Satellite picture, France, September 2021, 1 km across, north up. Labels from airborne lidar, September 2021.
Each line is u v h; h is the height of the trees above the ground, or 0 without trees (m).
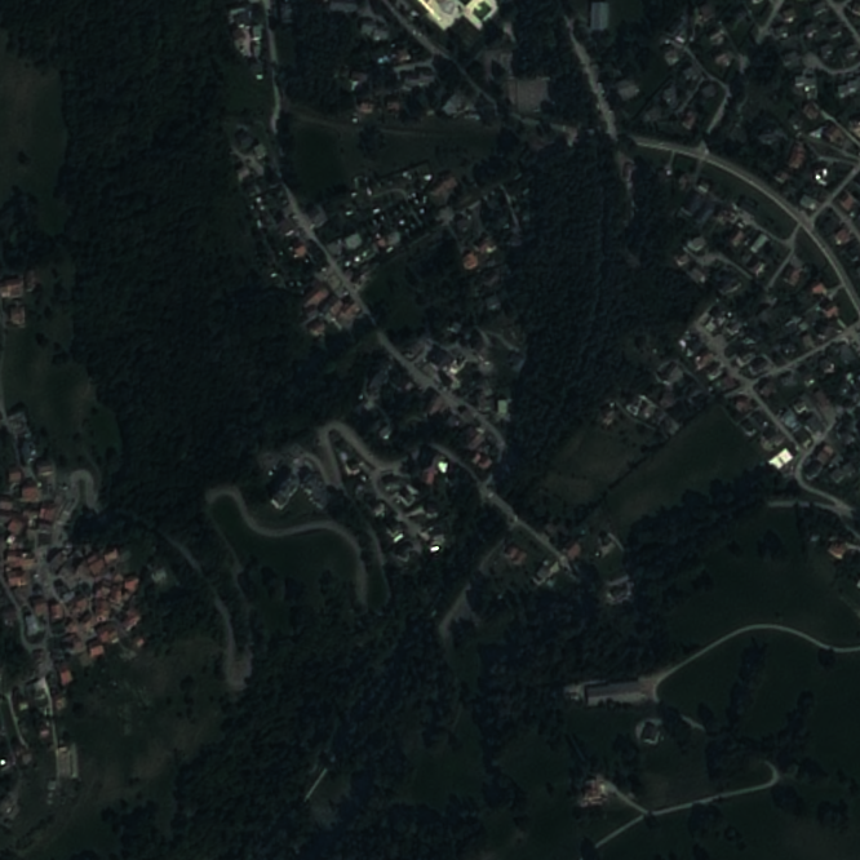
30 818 0
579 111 18
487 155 0
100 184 29
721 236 7
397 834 25
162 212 23
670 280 18
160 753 0
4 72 0
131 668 0
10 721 0
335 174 0
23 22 25
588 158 14
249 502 7
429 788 0
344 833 10
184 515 33
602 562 0
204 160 23
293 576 0
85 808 0
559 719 17
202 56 18
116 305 24
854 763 0
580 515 10
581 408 16
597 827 0
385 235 8
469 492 16
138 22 14
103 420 0
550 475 15
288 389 26
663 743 0
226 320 24
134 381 27
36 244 25
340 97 15
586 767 26
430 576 26
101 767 0
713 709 0
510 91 0
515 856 0
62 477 0
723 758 17
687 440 0
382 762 21
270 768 6
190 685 16
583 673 7
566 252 19
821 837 0
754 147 13
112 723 0
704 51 10
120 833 13
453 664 0
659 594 20
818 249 0
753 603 0
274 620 0
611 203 15
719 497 20
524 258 17
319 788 0
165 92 26
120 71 19
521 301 18
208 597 23
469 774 0
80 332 16
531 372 11
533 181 11
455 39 12
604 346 16
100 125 20
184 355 26
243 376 21
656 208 15
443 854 23
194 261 22
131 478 19
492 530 19
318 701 28
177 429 27
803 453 0
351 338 16
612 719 0
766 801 0
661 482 0
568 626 9
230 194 18
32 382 0
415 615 30
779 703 0
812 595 0
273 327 23
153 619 7
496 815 13
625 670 7
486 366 0
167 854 15
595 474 0
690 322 18
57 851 0
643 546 13
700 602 0
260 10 12
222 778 26
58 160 0
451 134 0
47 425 0
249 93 0
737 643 0
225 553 23
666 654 20
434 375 0
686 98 13
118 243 21
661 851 0
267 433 27
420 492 14
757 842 0
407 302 0
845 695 0
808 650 0
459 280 10
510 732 25
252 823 23
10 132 0
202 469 24
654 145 0
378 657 33
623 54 16
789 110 0
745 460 0
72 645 0
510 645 0
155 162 26
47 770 0
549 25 23
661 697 0
